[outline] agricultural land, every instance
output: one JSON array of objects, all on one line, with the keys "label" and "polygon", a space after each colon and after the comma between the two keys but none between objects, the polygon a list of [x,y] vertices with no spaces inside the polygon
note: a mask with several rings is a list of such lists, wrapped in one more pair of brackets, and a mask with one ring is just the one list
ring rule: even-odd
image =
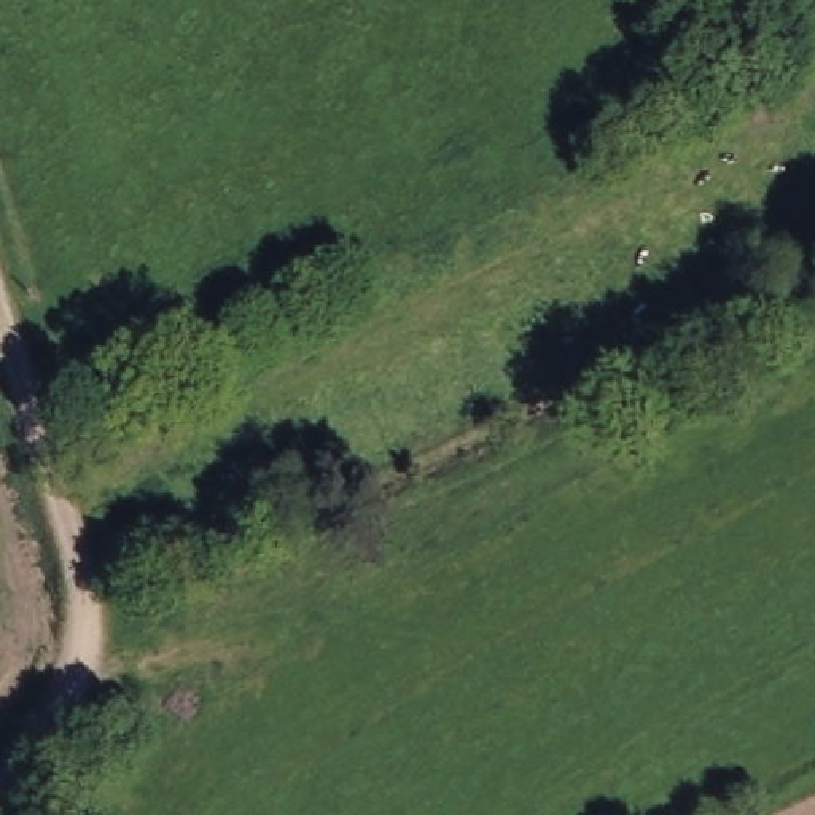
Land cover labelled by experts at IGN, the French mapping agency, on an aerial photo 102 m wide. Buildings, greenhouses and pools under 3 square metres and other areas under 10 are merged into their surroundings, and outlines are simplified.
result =
[{"label": "agricultural land", "polygon": [[220,325],[223,309],[229,302],[245,296],[248,290],[264,290],[280,267],[293,264],[296,258],[306,258],[318,245],[331,245],[337,232],[357,232],[366,271],[398,252],[411,255],[414,261],[430,252],[452,255],[458,239],[471,239],[471,258],[484,264],[509,242],[509,236],[503,232],[503,223],[509,220],[506,210],[522,207],[525,201],[541,194],[586,194],[599,178],[586,178],[579,169],[567,169],[554,150],[573,131],[592,124],[592,118],[611,96],[618,102],[630,99],[634,86],[640,86],[634,76],[640,51],[618,35],[611,0],[0,0],[0,287],[13,293],[13,337],[29,350],[32,372],[48,385],[67,363],[89,360],[92,350],[102,347],[118,328],[127,328],[131,337],[137,337],[156,325],[162,312],[191,309],[197,312],[197,318]]},{"label": "agricultural land", "polygon": [[414,484],[398,493],[392,500],[398,519],[392,538],[366,548],[363,554],[331,551],[318,560],[302,563],[299,573],[245,583],[232,592],[220,589],[210,605],[188,608],[172,618],[115,618],[105,627],[102,659],[92,672],[80,662],[70,665],[64,659],[64,630],[51,627],[51,602],[38,567],[38,541],[19,541],[19,528],[25,522],[16,519],[16,490],[0,484],[0,761],[16,748],[22,735],[51,735],[57,704],[86,707],[105,704],[108,697],[124,697],[134,704],[134,710],[153,713],[153,726],[166,742],[166,748],[156,755],[159,767],[134,786],[137,815],[694,815],[704,799],[723,799],[732,786],[745,786],[755,796],[774,796],[793,780],[815,770],[815,372],[809,379],[796,379],[786,392],[777,392],[764,404],[758,417],[758,433],[707,439],[700,446],[700,455],[688,468],[665,478],[646,478],[637,471],[637,465],[605,462],[599,455],[583,452],[576,443],[576,420],[560,408],[557,420],[535,420],[535,427],[513,446],[506,446],[500,455],[465,465],[462,471],[452,471],[427,484]]}]

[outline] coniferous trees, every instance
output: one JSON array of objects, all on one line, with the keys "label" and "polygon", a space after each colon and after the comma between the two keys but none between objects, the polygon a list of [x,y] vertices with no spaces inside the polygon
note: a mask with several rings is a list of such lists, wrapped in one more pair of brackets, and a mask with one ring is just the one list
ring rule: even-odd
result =
[{"label": "coniferous trees", "polygon": [[325,449],[302,446],[296,455],[302,458],[309,478],[315,532],[325,532],[331,538],[331,551],[363,554],[366,548],[392,538],[398,519],[392,500],[398,493],[388,481],[379,484],[369,474],[369,462],[357,458],[337,433],[328,439]]},{"label": "coniferous trees", "polygon": [[0,478],[10,471],[6,458],[13,455],[16,436],[13,401],[0,404]]}]

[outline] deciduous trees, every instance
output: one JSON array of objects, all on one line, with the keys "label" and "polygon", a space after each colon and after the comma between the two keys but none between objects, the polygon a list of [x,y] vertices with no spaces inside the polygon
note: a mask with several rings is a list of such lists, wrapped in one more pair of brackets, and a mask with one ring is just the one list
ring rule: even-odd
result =
[{"label": "deciduous trees", "polygon": [[51,735],[22,735],[16,748],[0,761],[0,815],[137,815],[134,786],[159,767],[156,755],[166,748],[166,742],[153,726],[153,713],[134,710],[134,704],[124,697],[108,697],[105,704],[86,707],[57,704]]},{"label": "deciduous trees", "polygon": [[707,140],[726,115],[732,115],[735,96],[751,92],[767,118],[777,115],[783,99],[796,99],[802,89],[802,73],[812,64],[812,35],[802,32],[802,25],[815,19],[815,0],[611,0],[618,35],[640,51],[634,76],[640,86],[634,86],[630,99],[618,102],[611,96],[592,118],[592,124],[573,131],[554,150],[567,169],[579,169],[586,178],[599,178],[627,181],[640,162],[665,162],[659,156],[662,140]]},{"label": "deciduous trees", "polygon": [[637,471],[646,478],[665,478],[688,468],[700,455],[700,446],[707,439],[758,433],[758,417],[764,404],[777,392],[786,392],[796,379],[809,379],[815,372],[815,245],[805,245],[799,252],[799,245],[786,239],[770,264],[758,264],[751,271],[748,290],[742,296],[707,306],[700,315],[688,315],[681,325],[669,328],[665,337],[656,341],[649,350],[602,353],[583,372],[573,392],[560,401],[560,408],[576,420],[576,443],[583,452],[599,455],[605,462],[637,465]]},{"label": "deciduous trees", "polygon": [[60,462],[64,478],[70,481],[70,487],[76,487],[89,468],[146,458],[201,439],[207,427],[216,427],[223,420],[223,395],[239,395],[252,379],[271,376],[290,357],[331,350],[347,334],[363,328],[388,302],[382,277],[372,277],[366,271],[357,232],[337,232],[331,245],[318,245],[306,258],[296,258],[293,264],[280,267],[264,290],[248,290],[245,296],[229,302],[223,309],[220,325],[197,318],[197,312],[191,309],[162,312],[156,325],[137,337],[131,337],[127,328],[118,328],[102,347],[92,350],[89,360],[67,363],[48,385],[45,401],[35,404],[35,423],[45,427],[45,436],[35,439],[35,465]]},{"label": "deciduous trees", "polygon": [[302,563],[318,560],[331,551],[331,538],[325,532],[315,532],[309,478],[302,458],[296,455],[287,452],[252,474],[255,503],[239,516],[236,538],[226,538],[220,532],[197,532],[185,516],[178,516],[178,509],[169,519],[140,516],[137,525],[121,538],[118,560],[108,563],[86,589],[96,595],[96,602],[102,602],[105,627],[115,618],[172,618],[188,608],[210,605],[220,589],[232,592],[245,583],[299,573]]}]

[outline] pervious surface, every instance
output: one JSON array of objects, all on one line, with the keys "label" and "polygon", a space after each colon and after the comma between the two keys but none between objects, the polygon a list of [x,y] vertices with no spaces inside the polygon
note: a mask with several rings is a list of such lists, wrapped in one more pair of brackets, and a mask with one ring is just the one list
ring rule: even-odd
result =
[{"label": "pervious surface", "polygon": [[92,672],[102,659],[105,627],[102,602],[96,602],[96,595],[86,589],[76,583],[76,535],[83,528],[83,516],[70,500],[57,493],[45,500],[67,592],[64,630],[64,659],[70,665],[80,662]]},{"label": "pervious surface", "polygon": [[48,385],[32,372],[29,350],[13,337],[13,293],[0,287],[0,404],[13,401],[16,436],[13,455],[6,458],[10,471],[25,471],[35,465],[35,439],[45,436],[45,427],[35,423],[35,404],[45,401]]}]

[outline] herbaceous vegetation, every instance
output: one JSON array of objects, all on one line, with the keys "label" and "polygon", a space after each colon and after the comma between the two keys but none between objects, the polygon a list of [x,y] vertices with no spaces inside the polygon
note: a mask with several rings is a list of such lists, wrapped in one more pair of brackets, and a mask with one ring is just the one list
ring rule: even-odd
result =
[{"label": "herbaceous vegetation", "polygon": [[[815,245],[815,19],[802,25],[802,32],[812,35],[812,64],[802,73],[802,89],[796,99],[783,99],[777,115],[767,118],[751,92],[735,96],[732,115],[726,115],[707,140],[662,140],[659,156],[665,162],[640,162],[627,181],[599,178],[586,194],[541,194],[525,201],[522,207],[506,210],[509,220],[503,223],[503,232],[509,236],[509,242],[484,264],[471,258],[471,239],[458,239],[452,255],[430,252],[414,261],[411,255],[398,252],[366,271],[372,277],[382,277],[388,302],[363,328],[347,334],[331,350],[290,357],[271,376],[252,379],[239,395],[223,395],[223,420],[216,427],[207,427],[201,439],[146,458],[89,468],[76,487],[70,487],[70,481],[64,478],[60,462],[35,465],[25,471],[10,471],[0,478],[0,484],[16,490],[16,519],[25,522],[19,528],[19,541],[38,541],[38,567],[51,602],[51,627],[64,630],[67,592],[45,500],[57,493],[70,500],[83,516],[83,528],[76,535],[76,583],[86,589],[108,563],[118,560],[121,538],[137,525],[140,516],[169,519],[178,509],[178,516],[185,516],[197,532],[220,532],[226,538],[236,538],[239,516],[255,503],[252,474],[287,452],[296,455],[302,446],[325,449],[328,439],[337,433],[357,458],[369,462],[369,474],[379,484],[388,481],[398,493],[414,484],[427,484],[452,471],[462,471],[465,465],[500,455],[506,446],[513,446],[535,427],[535,420],[557,420],[560,408],[560,401],[573,392],[583,372],[602,353],[649,350],[656,341],[665,337],[669,328],[681,325],[688,315],[700,315],[707,306],[742,296],[748,290],[751,271],[758,264],[770,264],[786,239],[799,245],[799,252],[805,245]],[[474,423],[474,417],[462,411],[462,401],[471,395],[497,395],[500,411],[484,423]]]}]

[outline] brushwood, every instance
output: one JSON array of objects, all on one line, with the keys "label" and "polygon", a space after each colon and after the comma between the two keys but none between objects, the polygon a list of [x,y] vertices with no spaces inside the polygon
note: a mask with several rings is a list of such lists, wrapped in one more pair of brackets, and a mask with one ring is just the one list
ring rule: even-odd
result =
[{"label": "brushwood", "polygon": [[474,423],[484,423],[500,411],[497,395],[471,395],[462,401],[462,411],[474,417]]},{"label": "brushwood", "polygon": [[774,796],[755,796],[745,786],[732,786],[723,799],[704,799],[694,815],[815,815],[815,770],[793,780]]}]

